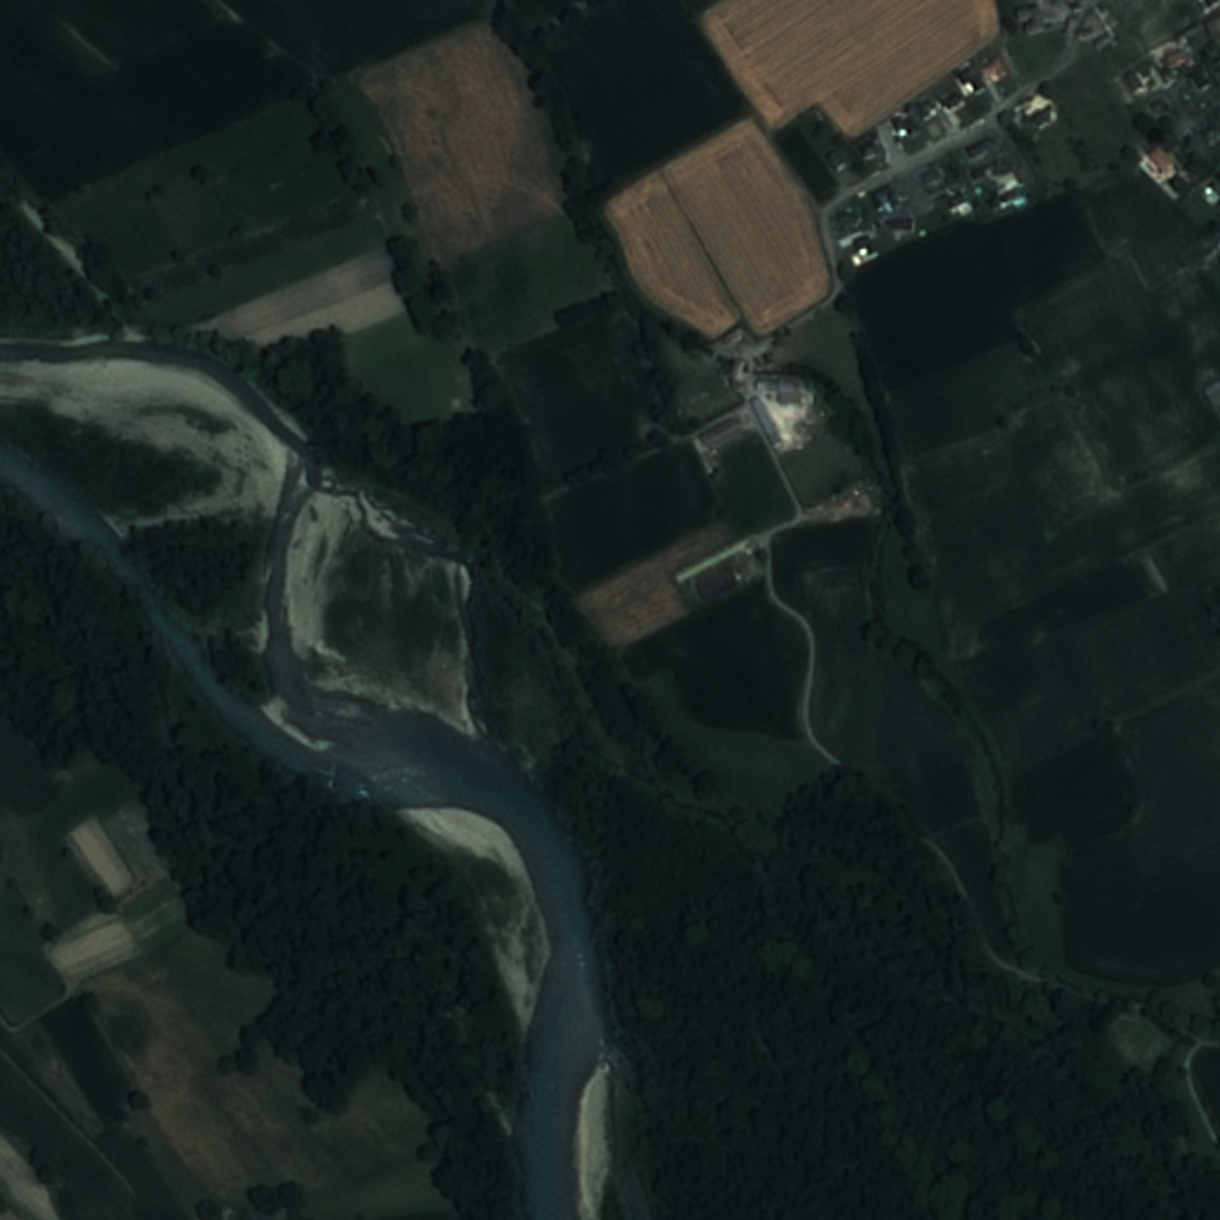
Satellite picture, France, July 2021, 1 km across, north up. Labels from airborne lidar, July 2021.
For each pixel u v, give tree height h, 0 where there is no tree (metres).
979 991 35
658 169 0
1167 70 7
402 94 0
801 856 9
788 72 0
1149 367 0
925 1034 17
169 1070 0
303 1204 18
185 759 21
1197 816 0
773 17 0
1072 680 0
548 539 21
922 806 0
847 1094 20
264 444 0
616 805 12
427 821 0
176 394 0
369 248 0
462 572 0
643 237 0
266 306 0
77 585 27
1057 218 0
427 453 29
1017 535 0
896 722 0
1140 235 0
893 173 0
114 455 8
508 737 6
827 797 9
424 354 0
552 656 13
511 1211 24
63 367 0
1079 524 0
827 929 29
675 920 6
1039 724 0
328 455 18
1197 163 11
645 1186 9
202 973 0
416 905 32
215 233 0
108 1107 0
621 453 12
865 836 12
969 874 0
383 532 0
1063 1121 25
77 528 0
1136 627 0
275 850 21
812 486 0
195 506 0
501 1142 19
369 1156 0
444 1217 0
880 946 33
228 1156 0
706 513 0
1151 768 0
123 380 0
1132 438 0
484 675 10
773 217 0
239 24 0
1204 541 0
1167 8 0
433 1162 8
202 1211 16
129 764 25
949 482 0
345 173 18
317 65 0
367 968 24
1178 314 0
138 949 0
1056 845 0
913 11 0
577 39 0
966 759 0
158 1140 0
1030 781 0
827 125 6
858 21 0
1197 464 0
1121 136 0
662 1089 22
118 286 22
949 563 0
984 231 0
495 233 0
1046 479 0
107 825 0
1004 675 0
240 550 11
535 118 0
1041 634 0
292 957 18
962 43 0
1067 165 0
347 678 0
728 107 0
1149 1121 13
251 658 19
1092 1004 10
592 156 0
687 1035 20
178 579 32
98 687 35
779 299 0
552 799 10
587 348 0
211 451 0
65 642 32
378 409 18
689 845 13
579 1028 0
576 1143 0
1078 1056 21
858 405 10
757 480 0
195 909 14
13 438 6
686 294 0
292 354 24
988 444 0
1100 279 0
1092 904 0
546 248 0
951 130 0
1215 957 0
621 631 0
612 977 8
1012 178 0
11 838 0
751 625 0
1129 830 0
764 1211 27
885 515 6
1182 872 0
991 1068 15
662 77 0
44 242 14
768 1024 18
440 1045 27
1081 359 0
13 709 27
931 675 15
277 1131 0
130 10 0
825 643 0
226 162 0
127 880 0
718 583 0
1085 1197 25
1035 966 20
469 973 17
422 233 0
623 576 0
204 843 25
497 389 27
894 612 0
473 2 0
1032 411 0
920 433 0
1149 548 0
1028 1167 29
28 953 0
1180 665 0
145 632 12
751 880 11
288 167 0
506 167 0
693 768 26
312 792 33
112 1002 0
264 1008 0
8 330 9
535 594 14
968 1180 32
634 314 14
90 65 0
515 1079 27
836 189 0
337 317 0
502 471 19
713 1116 12
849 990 23
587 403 0
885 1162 20
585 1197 0
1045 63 0
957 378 0
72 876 0
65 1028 0
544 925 0
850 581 0
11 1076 0
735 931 13
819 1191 14
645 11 0
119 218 0
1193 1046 9
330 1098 26
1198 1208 24
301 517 0
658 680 0
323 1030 25
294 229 0
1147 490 0
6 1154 0
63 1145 0
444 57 0
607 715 15
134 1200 0
